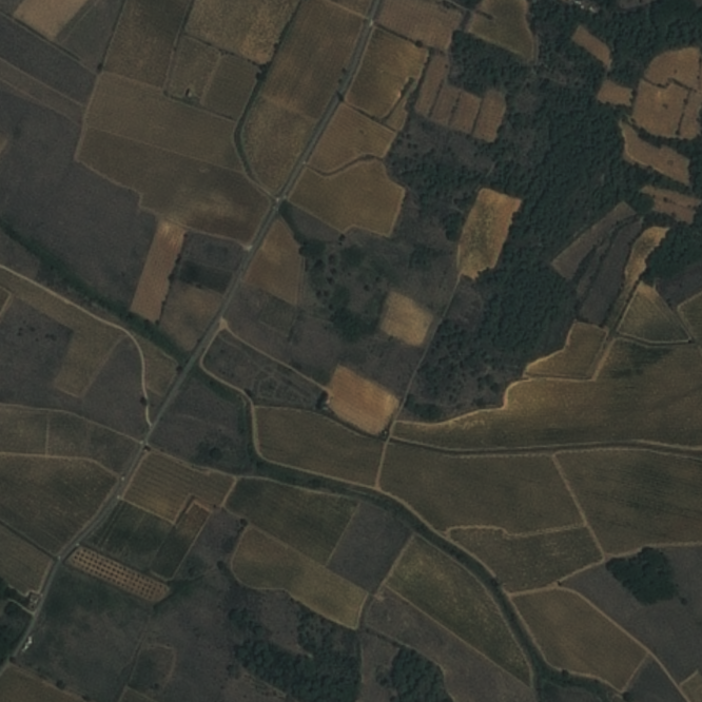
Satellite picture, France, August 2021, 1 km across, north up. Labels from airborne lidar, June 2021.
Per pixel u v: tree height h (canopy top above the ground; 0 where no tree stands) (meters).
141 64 0
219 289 0
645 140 6
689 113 0
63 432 0
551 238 6
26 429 0
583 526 0
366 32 0
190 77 0
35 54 0
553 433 0
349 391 0
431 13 0
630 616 0
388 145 0
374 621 0
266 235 0
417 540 0
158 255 0
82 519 0
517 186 7
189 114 0
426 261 8
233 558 0
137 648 0
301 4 0
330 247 0
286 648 0
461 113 0
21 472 0
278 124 0
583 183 7
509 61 7
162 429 0
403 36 0
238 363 0
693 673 0
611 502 0
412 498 0
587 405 0
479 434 0
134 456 0
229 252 0
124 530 0
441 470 0
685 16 11
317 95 0
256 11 0
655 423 0
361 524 0
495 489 0
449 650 0
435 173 9
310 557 0
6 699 0
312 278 0
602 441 0
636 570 12
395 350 0
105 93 0
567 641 0
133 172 0
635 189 11
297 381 0
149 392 0
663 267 12
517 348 7
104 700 0
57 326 0
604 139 7
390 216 0
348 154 0
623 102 0
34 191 0
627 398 0
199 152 0
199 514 0
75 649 0
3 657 25
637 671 0
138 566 0
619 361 0
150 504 0
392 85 0
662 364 0
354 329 12
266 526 0
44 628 0
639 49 7
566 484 0
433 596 0
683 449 0
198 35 0
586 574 0
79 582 0
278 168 0
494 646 0
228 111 0
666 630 0
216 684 0
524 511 0
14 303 0
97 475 0
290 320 0
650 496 0
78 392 0
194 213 0
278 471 6
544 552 0
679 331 0
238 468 0
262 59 0
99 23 0
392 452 0
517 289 10
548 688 0
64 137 0
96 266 0
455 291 0
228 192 0
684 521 0
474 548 0
